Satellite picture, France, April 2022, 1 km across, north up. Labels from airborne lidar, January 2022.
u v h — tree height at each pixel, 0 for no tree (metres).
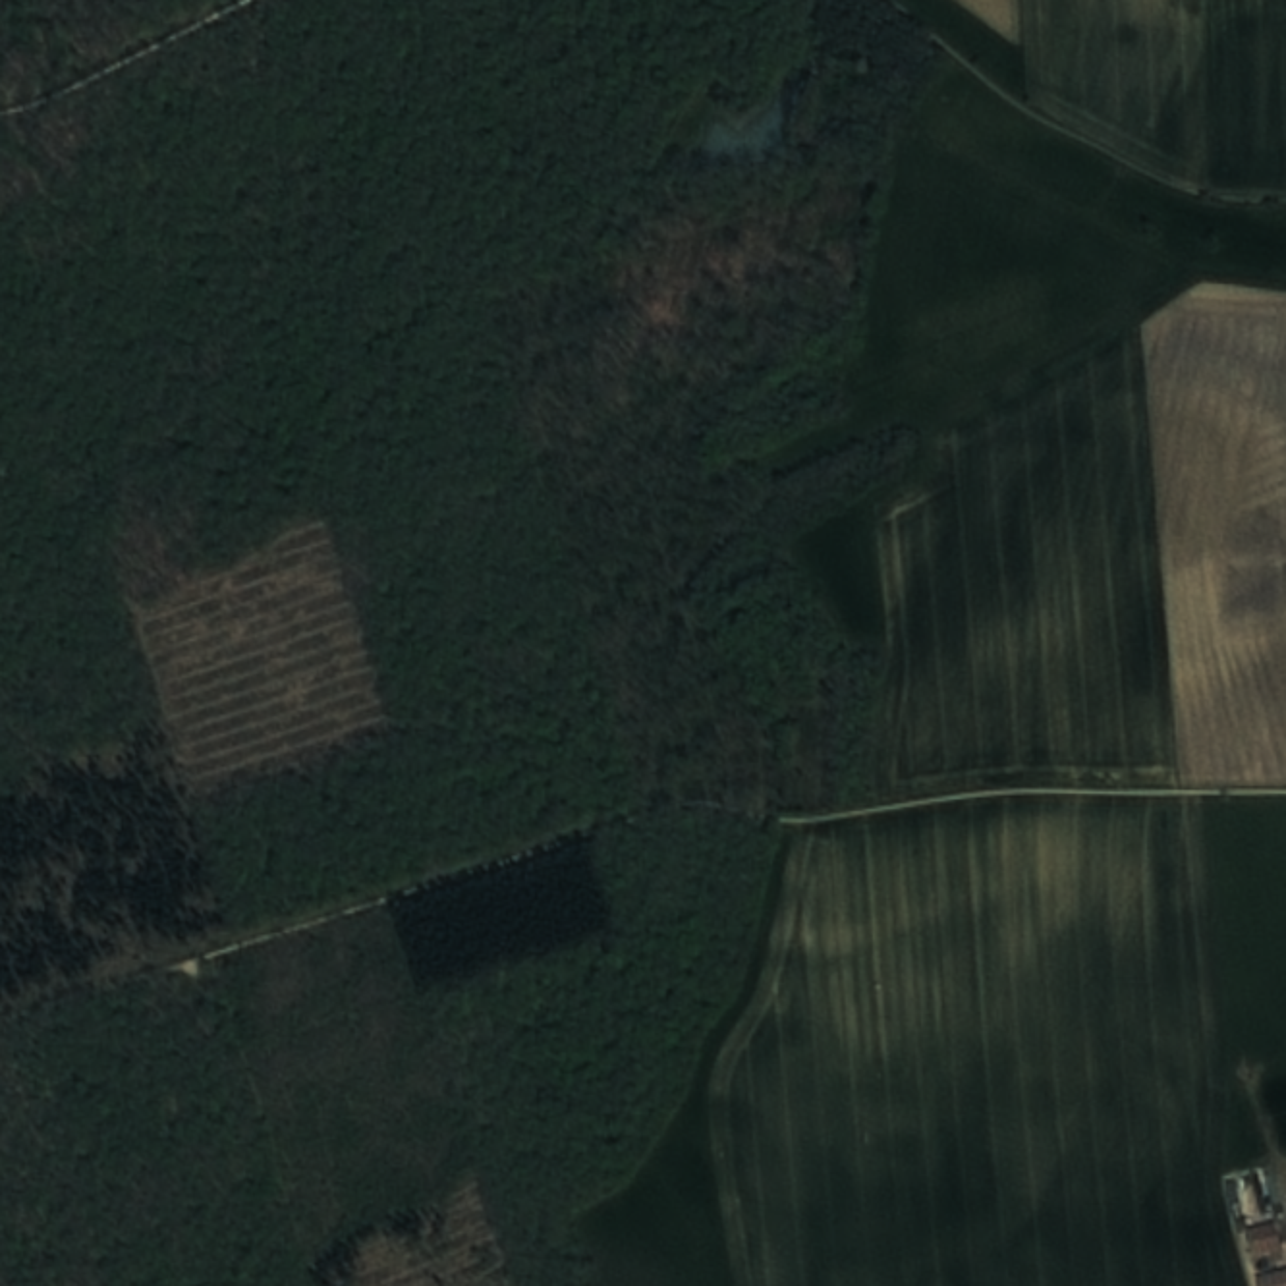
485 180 24
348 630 0
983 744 0
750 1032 0
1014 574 0
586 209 26
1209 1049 0
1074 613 0
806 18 25
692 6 22
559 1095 21
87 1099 22
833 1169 0
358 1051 13
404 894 0
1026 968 0
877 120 18
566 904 18
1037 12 0
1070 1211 0
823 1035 0
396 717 21
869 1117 0
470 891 18
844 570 0
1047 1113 0
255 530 23
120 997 20
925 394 0
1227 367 0
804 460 0
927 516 0
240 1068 22
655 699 26
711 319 27
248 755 0
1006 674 0
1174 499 0
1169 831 0
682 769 22
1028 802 0
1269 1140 0
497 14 21
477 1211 0
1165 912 0
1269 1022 0
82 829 18
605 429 23
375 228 23
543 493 21
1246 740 0
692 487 22
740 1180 0
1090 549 0
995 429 0
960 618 0
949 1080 0
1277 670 0
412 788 24
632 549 22
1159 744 0
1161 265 0
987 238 0
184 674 0
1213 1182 0
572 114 23
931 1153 0
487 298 20
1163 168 0
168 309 20
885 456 6
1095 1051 0
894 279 0
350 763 21
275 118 23
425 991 17
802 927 0
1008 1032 0
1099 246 0
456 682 24
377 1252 0
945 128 0
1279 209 8
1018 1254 0
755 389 21
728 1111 0
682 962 22
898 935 0
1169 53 0
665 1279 0
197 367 22
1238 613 0
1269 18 0
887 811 0
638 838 23
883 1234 0
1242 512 0
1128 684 0
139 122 26
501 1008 19
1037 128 0
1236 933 0
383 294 20
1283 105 0
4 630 23
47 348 22
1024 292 0
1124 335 0
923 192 0
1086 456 0
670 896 23
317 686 0
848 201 9
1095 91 0
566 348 21
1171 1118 0
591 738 23
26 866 18
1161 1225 0
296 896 24
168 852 17
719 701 22
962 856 0
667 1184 0
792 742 21
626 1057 20
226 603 0
